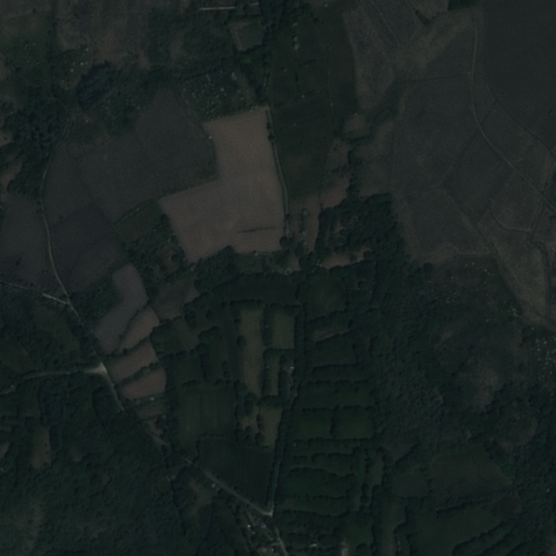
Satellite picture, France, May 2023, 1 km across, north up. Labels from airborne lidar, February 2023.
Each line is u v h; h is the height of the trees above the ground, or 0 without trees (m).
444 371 13
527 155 0
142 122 0
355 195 10
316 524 9
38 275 0
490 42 0
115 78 8
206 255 0
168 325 11
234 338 0
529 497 7
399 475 17
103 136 0
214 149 0
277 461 13
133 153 0
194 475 12
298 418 10
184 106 0
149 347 0
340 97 0
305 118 0
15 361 0
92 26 0
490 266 0
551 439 14
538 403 17
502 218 0
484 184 0
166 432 10
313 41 0
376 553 14
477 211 0
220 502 7
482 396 0
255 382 0
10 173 0
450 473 0
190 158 0
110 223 0
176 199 0
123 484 6
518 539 11
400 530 12
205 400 0
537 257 0
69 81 5
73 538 6
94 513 7
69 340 0
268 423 0
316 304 0
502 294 0
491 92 0
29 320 7
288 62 0
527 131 0
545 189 0
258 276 12
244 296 0
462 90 0
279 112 0
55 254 0
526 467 13
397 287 8
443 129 0
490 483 0
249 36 0
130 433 16
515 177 0
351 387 16
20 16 0
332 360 0
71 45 0
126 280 0
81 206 0
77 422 11
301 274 10
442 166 0
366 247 6
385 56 0
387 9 0
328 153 0
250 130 0
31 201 0
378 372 11
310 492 0
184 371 0
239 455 0
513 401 8
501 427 6
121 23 0
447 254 0
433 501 11
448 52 0
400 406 9
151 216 0
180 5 0
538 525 13
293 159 0
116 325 0
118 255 0
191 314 8
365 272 23
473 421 16
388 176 0
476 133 0
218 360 0
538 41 0
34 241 0
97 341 14
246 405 9
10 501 8
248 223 0
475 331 0
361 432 0
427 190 0
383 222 8
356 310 11
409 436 9
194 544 16
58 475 7
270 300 0
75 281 0
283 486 13
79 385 16
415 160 0
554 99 0
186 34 6
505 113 0
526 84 0
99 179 0
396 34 0
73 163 0
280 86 0
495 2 0
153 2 0
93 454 10
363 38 0
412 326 11
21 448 16
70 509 7
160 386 0
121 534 8
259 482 0
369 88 0
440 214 0
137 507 7
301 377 14
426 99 0
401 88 0
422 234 0
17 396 11
